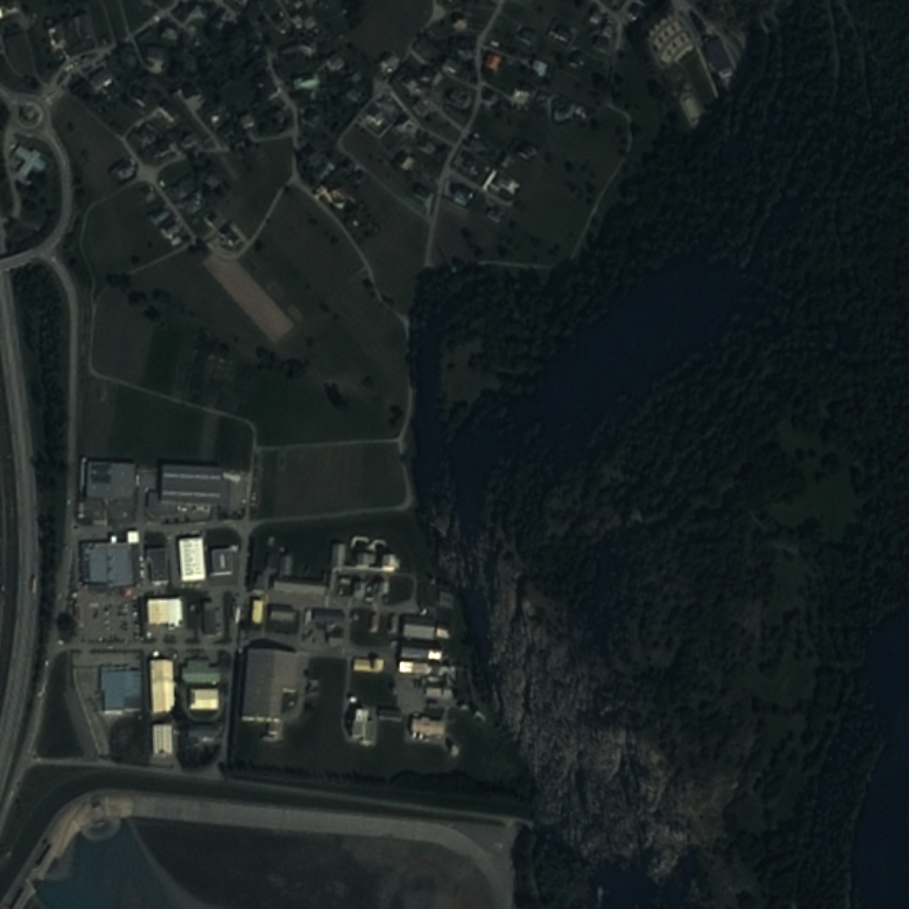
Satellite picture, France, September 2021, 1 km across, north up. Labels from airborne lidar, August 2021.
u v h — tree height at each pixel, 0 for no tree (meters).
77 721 0
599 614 6
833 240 11
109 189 0
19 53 0
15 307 0
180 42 6
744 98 14
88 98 12
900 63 12
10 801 0
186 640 0
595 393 10
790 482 16
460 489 10
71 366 0
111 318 0
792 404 8
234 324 0
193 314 7
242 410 0
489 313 11
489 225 0
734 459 12
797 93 18
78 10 0
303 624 0
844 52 9
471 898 0
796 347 17
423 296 15
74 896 0
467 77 10
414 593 0
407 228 0
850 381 19
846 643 14
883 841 6
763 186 19
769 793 11
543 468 17
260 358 8
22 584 0
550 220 0
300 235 0
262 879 0
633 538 10
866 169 14
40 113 0
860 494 15
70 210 0
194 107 0
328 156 7
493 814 0
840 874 11
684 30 0
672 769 7
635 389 10
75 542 0
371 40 0
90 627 0
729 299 15
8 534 0
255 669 0
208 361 0
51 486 18
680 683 13
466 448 10
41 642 6
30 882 0
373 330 0
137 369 0
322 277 0
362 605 0
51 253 0
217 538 0
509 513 10
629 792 14
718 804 0
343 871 0
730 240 13
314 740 0
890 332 11
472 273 8
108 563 0
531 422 15
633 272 13
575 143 0
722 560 7
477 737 0
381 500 0
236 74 12
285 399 0
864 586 19
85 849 0
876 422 14
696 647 11
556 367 17
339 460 0
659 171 13
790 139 16
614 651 6
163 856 0
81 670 0
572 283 17
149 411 0
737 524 9
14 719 0
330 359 0
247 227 0
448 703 0
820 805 11
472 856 0
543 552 7
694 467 12
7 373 0
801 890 10
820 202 11
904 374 11
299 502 0
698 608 7
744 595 6
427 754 0
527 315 16
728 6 8
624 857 8
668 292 20
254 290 0
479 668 9
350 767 0
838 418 16
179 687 9
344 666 0
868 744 13
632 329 20
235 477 0
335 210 6
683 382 12
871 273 16
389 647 0
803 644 9
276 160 0
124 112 0
